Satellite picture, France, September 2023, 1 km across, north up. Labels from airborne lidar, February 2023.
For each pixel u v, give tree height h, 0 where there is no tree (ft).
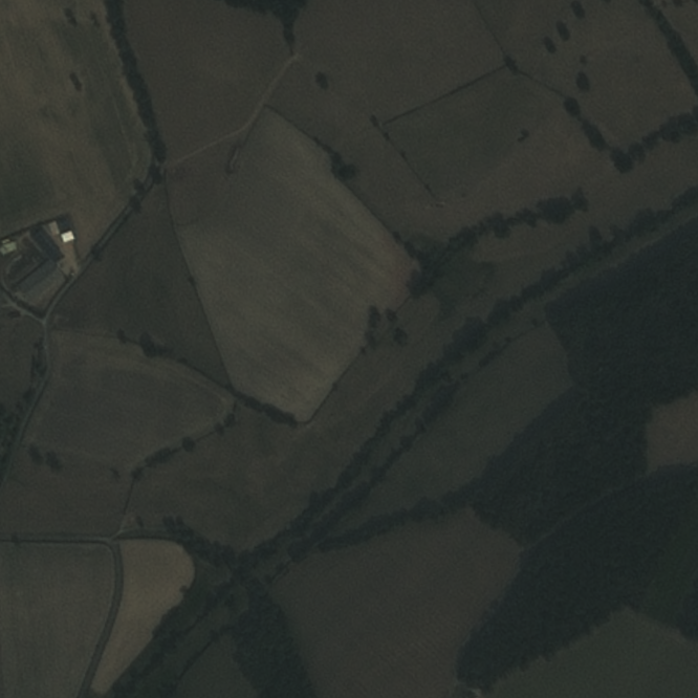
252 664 58
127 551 0
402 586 0
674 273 64
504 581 0
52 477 0
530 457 52
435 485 0
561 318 65
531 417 0
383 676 0
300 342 0
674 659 0
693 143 0
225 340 0
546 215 65
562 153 0
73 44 0
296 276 0
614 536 77
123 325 0
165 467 0
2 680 0
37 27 0
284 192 0
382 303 0
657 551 62
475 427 0
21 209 0
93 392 0
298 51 0
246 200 0
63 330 0
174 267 0
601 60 0
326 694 0
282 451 0
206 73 0
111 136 0
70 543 0
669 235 0
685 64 68
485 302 0
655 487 60
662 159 0
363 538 29
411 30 0
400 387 0
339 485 27
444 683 0
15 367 0
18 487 0
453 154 0
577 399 53
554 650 53
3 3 0
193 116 0
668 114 0
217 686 0
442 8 0
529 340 0
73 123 0
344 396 0
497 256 0
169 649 53
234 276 0
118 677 0
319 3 0
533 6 0
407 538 0
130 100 0
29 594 0
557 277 52
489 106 0
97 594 0
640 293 66
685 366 53
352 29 0
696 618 64
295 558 44
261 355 0
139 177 0
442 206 0
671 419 0
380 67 0
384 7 0
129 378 0
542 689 0
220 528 0
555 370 0
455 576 0
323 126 0
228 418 28
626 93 0
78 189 0
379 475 48
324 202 0
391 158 0
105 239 0
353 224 0
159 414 0
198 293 0
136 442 0
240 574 41
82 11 0
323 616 0
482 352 0
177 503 0
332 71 0
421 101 0
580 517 73
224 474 0
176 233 0
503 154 0
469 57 0
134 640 0
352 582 0
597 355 59
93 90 0
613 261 0
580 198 55
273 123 0
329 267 0
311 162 0
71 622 0
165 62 0
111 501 0
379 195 0
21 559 0
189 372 0
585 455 57
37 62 0
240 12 0
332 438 0
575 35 0
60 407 0
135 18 0
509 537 38
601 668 0
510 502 62
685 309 75
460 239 26
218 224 0
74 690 0
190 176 0
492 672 72
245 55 0
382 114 0
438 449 0
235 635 38
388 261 0
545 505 62
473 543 0
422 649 0
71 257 0
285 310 0
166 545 0
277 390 0
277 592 0
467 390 0
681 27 0
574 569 80
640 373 70
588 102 0
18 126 0
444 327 0
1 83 0
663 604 0
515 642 71
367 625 0
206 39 0
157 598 0
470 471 0
